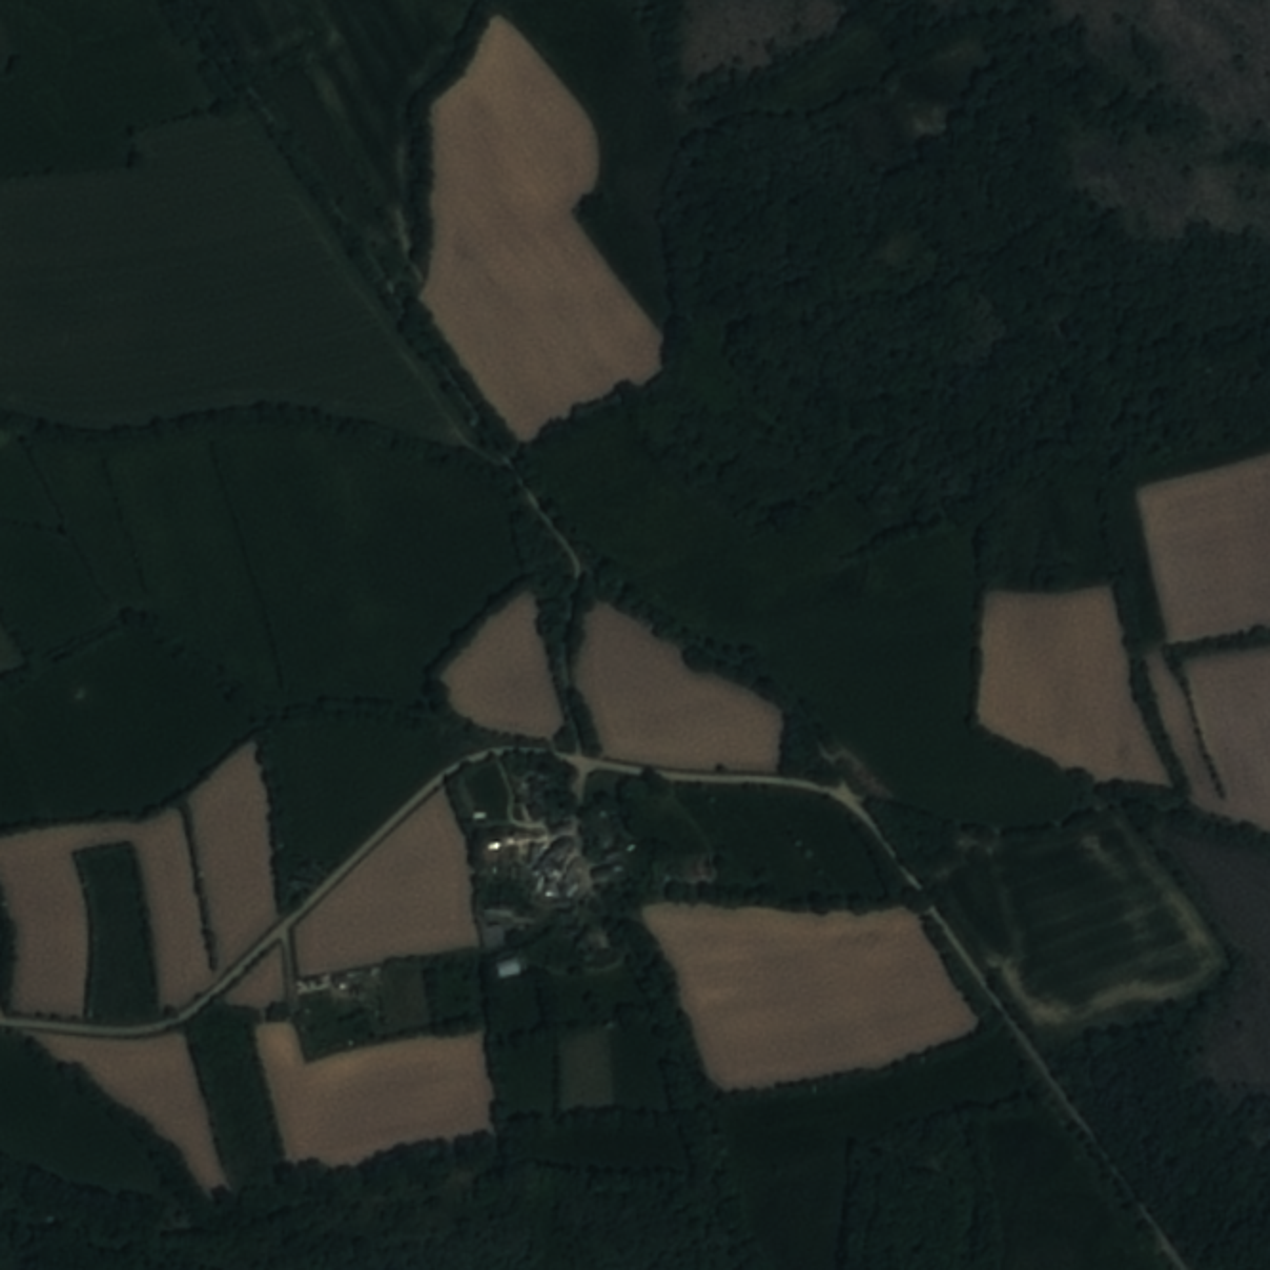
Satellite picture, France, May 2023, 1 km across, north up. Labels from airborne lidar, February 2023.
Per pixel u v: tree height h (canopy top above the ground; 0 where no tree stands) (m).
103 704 0
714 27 0
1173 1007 14
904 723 0
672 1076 17
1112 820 0
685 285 20
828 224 18
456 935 0
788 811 0
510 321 0
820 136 12
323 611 0
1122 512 0
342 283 0
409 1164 24
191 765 0
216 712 0
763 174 11
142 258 0
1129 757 0
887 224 16
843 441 9
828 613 0
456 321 0
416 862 0
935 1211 20
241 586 0
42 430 18
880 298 8
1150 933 0
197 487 0
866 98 9
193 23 12
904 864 15
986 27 12
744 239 15
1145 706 7
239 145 0
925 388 9
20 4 0
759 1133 0
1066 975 0
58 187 0
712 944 0
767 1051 0
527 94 0
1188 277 9
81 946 0
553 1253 0
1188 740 0
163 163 0
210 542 0
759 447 7
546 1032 19
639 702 0
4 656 0
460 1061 0
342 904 0
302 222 0
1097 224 7
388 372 0
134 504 0
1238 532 0
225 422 9
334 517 0
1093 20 0
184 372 0
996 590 0
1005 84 17
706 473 8
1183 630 0
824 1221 0
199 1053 9
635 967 9
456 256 0
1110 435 6
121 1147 0
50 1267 18
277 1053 0
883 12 13
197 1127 0
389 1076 0
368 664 0
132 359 0
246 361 0
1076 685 0
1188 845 0
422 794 0
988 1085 0
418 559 0
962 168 8
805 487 7
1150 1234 12
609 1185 15
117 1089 0
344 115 0
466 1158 25
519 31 0
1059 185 11
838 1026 0
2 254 0
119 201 0
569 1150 0
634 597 13
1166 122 11
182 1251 13
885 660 0
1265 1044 0
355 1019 6
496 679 0
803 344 11
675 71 12
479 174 0
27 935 0
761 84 8
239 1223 13
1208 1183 14
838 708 0
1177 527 0
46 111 0
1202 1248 11
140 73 0
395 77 0
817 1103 0
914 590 0
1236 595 0
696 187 16
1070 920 0
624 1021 15
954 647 0
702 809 0
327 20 0
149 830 0
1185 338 12
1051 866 0
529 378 0
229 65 8
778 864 0
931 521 11
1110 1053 16
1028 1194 0
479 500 0
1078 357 14
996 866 0
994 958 0
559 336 0
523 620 0
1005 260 13
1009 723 0
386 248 0
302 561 0
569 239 0
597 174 0
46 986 0
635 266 0
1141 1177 15
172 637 7
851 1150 13
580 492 0
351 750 0
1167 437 17
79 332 0
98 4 0
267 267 0
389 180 0
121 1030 0
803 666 0
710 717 0
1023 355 16
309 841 0
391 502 0
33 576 0
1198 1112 12
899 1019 0
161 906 0
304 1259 8
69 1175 0
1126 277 9
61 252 0
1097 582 0
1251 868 0
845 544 0
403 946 0
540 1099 0
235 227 0
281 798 8
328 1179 17
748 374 9
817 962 0
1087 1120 15
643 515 0
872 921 0
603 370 0
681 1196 18
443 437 0
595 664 0
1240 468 0
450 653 7
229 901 0
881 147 0
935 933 16
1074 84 14
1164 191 0
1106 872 0
